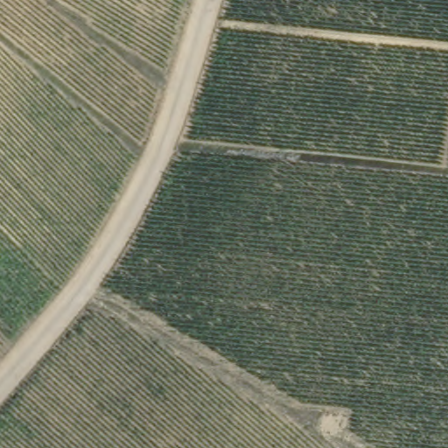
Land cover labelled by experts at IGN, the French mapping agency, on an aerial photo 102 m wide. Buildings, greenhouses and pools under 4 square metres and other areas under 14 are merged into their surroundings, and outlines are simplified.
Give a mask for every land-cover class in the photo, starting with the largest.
<instances>
[{"label":"vineyard","instance_id":"1","mask_svg":"<svg viewBox=\"0 0 448 448\"><path fill-rule=\"evenodd\" d=\"M194 0H0V362L9 355L17 339L23 336L28 325L40 315V311L58 296L59 290L72 278L87 250L91 248V240L103 231L105 215L114 210L115 194L128 185L129 173L135 170L136 164L142 159L143 150L147 149L152 129L156 126L157 115L163 107L166 80L170 79L171 70L177 61L178 49L184 38L185 26L191 17ZM212 52L205 59L203 86L194 98V110L189 112V119L184 122L178 133L171 161L163 171L156 192L152 194L135 233L129 236L121 255L115 259L114 266L105 275L100 287L94 290L91 299L84 304L79 317H75L72 324L66 327L65 332L44 353V357L24 376V380L19 381L14 392L0 404V448H448V0H222L219 16L213 26L210 42Z\"/></svg>","mask_w":448,"mask_h":448},{"label":"pervious surface","instance_id":"2","mask_svg":"<svg viewBox=\"0 0 448 448\"><path fill-rule=\"evenodd\" d=\"M222 0H194L191 17L185 26L184 38L178 49L177 61L171 70L170 79L166 80L163 107L157 115L156 126L152 129L147 149L143 150L142 159L136 164L135 170L129 173L128 185L115 194L114 210L105 215L103 231L91 240V248L87 250L72 278L59 290L58 296L40 311V315L28 325L23 336L17 339L9 355L0 362V404L14 392L19 381L24 380V376L44 357V353L65 332L66 327L72 324L75 317H79L84 304L91 299L94 290L100 287L105 275L114 266L115 259L121 255L129 236L135 233L152 194L156 192L163 171L171 161L178 133L184 122L189 119V112L194 110V98L203 86L205 59L212 52L210 42L213 26L219 16Z\"/></svg>","mask_w":448,"mask_h":448}]
</instances>
